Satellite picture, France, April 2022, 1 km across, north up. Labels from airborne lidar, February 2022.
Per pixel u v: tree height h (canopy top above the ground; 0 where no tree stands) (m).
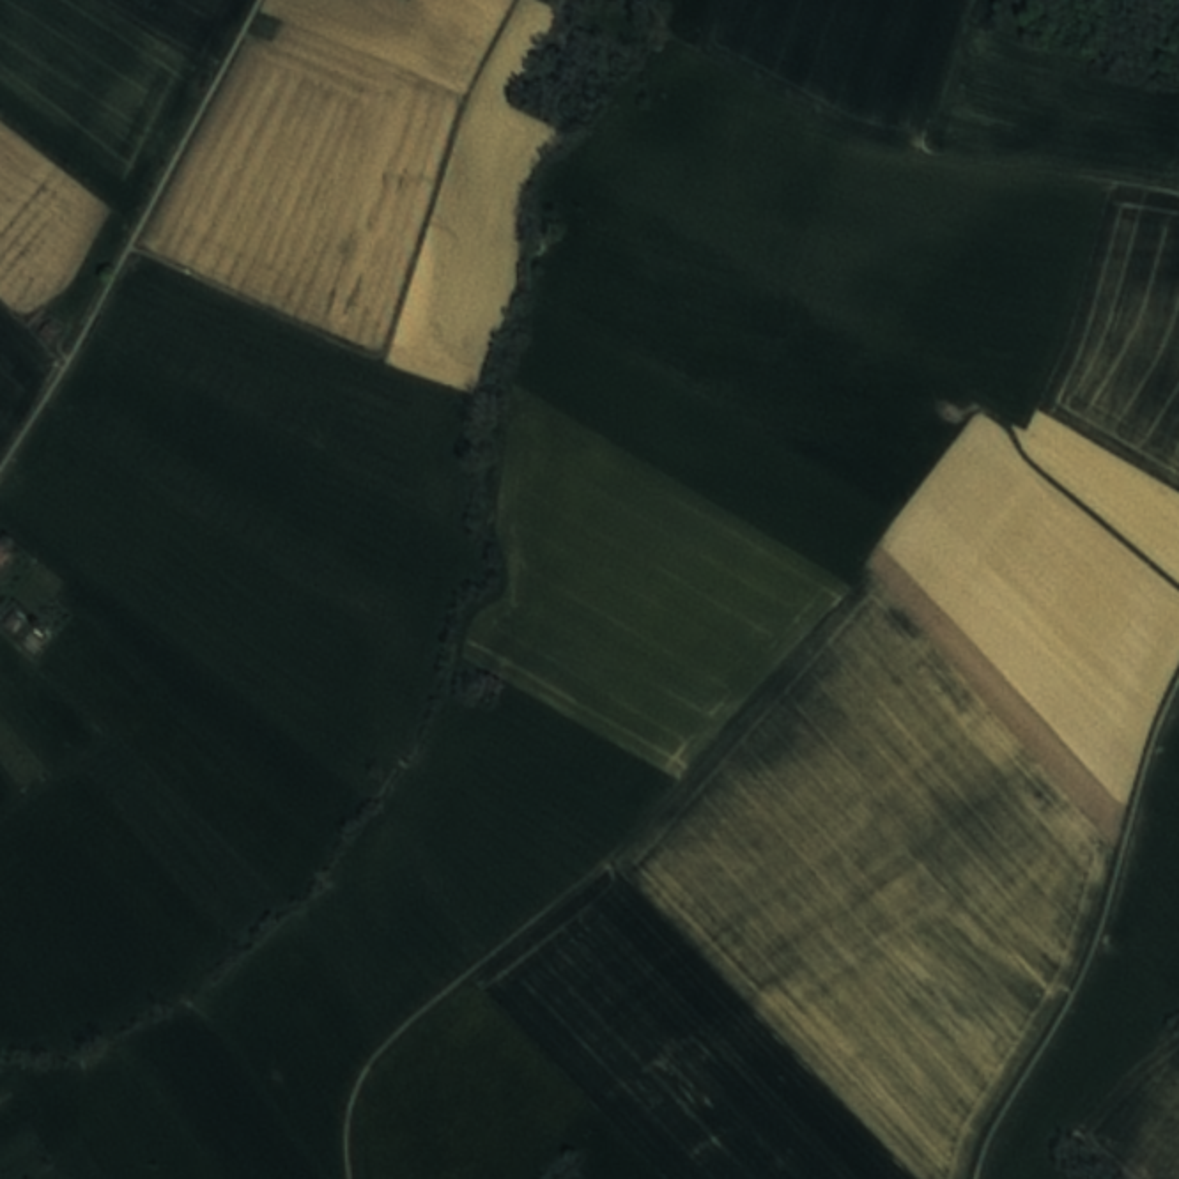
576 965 0
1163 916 0
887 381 0
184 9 0
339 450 0
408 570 0
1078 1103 0
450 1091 0
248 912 0
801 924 0
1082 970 0
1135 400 0
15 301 0
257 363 0
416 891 0
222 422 0
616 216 0
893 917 0
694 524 0
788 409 0
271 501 0
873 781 0
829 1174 0
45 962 0
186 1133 0
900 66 0
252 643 0
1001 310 0
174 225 0
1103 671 0
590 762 0
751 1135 0
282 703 0
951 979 0
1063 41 13
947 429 0
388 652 0
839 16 0
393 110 0
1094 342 0
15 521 0
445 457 0
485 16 0
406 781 0
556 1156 0
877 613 0
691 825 0
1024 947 0
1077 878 0
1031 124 0
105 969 0
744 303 0
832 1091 0
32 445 0
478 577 0
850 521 0
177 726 0
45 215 0
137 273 0
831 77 0
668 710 0
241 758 0
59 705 0
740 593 0
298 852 0
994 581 0
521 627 0
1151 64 8
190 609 0
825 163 0
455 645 14
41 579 0
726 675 0
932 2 0
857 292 0
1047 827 0
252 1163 0
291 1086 0
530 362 0
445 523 0
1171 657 0
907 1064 0
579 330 0
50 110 0
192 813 0
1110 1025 0
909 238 0
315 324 0
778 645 0
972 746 0
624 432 0
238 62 0
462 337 0
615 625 0
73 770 0
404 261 0
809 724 0
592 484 0
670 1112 0
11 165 0
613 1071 0
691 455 0
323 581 0
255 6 0
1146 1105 0
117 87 0
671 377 0
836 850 0
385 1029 0
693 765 0
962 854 0
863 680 0
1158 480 0
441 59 0
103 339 0
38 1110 0
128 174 0
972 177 0
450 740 0
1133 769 0
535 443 0
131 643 0
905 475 0
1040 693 0
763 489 0
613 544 0
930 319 0
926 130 0
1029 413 0
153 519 0
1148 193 0
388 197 0
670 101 0
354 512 0
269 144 0
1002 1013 0
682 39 0
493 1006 0
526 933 0
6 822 0
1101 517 0
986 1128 0
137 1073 0
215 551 0
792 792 0
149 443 0
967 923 0
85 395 0
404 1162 0
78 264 0
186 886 0
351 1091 0
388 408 0
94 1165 0
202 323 0
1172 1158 0
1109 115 0
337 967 0
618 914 0
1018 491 0
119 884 0
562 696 0
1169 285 0
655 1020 0
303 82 0
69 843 0
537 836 0
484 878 0
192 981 0
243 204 0
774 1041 0
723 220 0
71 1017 0
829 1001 0
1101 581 0
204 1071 0
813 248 0
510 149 0
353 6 0
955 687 0
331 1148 0
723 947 0
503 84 0
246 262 0
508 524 0
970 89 0
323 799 0
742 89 0
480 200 0
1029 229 0
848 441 0
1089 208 0
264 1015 0
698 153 0
